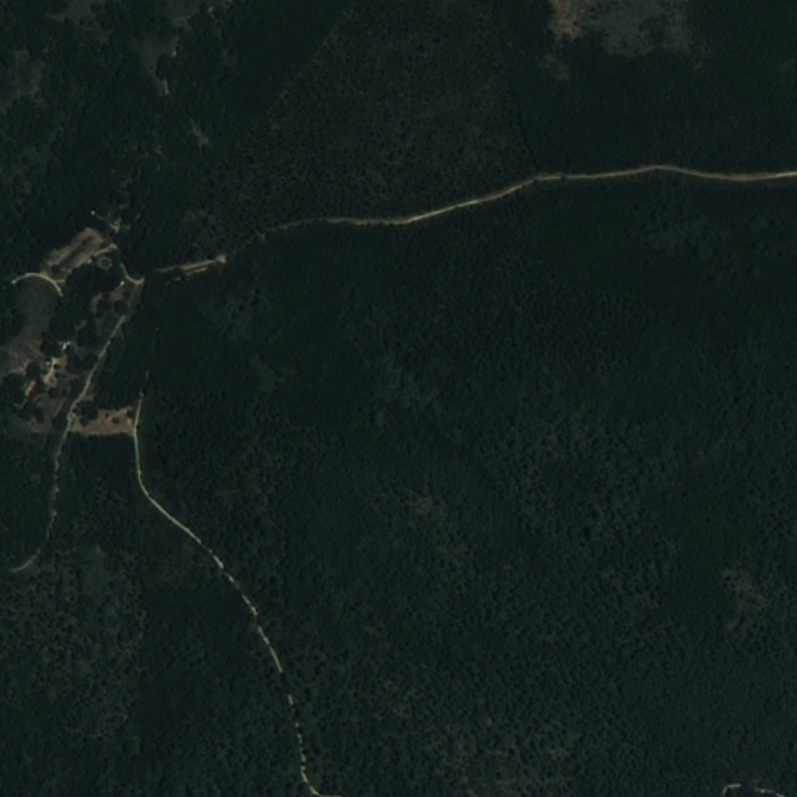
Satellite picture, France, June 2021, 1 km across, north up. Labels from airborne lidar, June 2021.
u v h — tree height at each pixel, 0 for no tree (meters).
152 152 8
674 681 15
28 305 0
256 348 13
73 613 11
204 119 12
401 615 14
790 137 13
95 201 10
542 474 11
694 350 13
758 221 18
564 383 7
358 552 15
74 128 10
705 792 17
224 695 19
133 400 12
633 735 16
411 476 14
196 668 18
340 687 12
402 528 11
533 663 20
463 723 21
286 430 9
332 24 11
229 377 16
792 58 8
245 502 11
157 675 11
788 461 13
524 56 10
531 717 15
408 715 13
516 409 13
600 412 19
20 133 8
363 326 15
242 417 9
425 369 21
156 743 10
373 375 16
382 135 12
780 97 11
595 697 18
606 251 8
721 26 7
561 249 13
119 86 13
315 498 12
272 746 14
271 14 14
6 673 12
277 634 20
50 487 11
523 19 11
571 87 8
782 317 8
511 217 11
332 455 11
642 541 16
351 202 11
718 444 10
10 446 12
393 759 10
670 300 8
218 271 15
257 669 19
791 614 22
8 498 10
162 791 12
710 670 14
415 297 14
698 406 11
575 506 20
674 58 8
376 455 11
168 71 12
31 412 11
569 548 18
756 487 18
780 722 16
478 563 14
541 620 19
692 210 10
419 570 8
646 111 7
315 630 15
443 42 13
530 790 13
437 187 11
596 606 14
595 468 22
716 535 9
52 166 15
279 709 19
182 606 13
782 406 11
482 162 11
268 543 15
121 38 12
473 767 11
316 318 16
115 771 19
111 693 20
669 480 6
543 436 19
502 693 14
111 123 10
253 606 9
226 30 10
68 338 12
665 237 20
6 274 8
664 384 13
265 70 9
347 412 15
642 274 10
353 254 13
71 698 9
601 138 10
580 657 16
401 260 11
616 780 15
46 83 12
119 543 12
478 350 12
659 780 15
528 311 10
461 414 15
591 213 9
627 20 0
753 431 18
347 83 11
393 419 15
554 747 17
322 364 15
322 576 17
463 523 18
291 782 21
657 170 8
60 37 9
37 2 15
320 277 16
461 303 8
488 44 8
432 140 11
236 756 22
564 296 7
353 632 19
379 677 11
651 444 14
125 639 18
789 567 11
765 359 12
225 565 11
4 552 11
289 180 8
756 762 15
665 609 12
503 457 11
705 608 12
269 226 12
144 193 10
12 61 14
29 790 9
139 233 11
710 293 8
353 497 18
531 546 13
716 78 8
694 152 9
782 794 10
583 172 13
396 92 9
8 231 13
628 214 8
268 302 17
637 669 17
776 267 8
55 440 10
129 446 16
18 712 11
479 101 7
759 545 15
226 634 12
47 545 11
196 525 12
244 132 12
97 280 11
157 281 15
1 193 9
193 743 18
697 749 17
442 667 15
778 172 12
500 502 12
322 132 14
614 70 13
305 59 9
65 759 11
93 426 0
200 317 14
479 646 15
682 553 11
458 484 18
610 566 13
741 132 7
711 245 10
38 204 11
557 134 12
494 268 7
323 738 12
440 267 6
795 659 14
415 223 10
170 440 16
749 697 16
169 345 15
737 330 14
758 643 7
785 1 10
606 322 14
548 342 12
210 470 14
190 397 14
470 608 14
